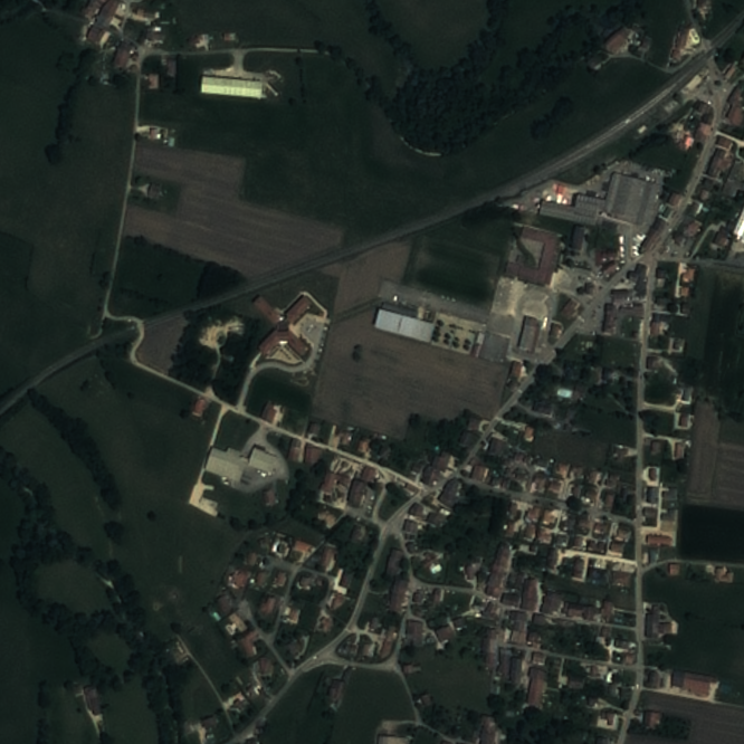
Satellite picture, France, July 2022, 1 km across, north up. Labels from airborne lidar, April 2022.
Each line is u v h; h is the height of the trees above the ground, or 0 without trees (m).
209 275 17
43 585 0
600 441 0
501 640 0
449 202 0
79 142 6
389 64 0
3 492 0
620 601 0
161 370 0
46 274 0
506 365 0
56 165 13
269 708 0
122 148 0
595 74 14
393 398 0
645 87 0
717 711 0
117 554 0
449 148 20
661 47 0
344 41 0
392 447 6
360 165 0
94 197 0
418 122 10
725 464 0
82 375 0
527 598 0
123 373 0
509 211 6
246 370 7
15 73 0
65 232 0
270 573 0
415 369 0
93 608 0
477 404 0
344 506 0
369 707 0
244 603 0
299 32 0
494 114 17
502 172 0
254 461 0
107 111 0
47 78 0
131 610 15
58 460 0
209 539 0
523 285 0
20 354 0
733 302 0
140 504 0
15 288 0
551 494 0
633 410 16
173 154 0
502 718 15
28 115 0
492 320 0
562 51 0
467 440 0
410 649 13
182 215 0
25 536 22
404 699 0
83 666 23
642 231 0
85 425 14
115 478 11
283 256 0
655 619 0
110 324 9
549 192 0
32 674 0
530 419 9
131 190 0
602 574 0
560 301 0
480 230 0
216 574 0
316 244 0
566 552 0
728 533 0
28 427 0
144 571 0
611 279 0
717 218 6
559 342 0
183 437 0
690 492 0
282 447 6
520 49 0
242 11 0
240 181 0
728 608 0
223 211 0
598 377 0
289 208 0
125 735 0
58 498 0
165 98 0
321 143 0
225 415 0
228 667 0
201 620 0
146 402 0
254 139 0
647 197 0
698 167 0
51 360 0
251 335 6
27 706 0
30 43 0
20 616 0
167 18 0
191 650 0
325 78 0
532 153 0
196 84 0
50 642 0
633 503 17
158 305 12
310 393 0
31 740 0
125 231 0
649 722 0
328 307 0
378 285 0
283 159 0
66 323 0
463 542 12
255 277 0
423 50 0
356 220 0
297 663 14
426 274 0
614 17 19
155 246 6
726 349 0
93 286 0
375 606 0
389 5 0
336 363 0
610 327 0
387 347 0
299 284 0
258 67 0
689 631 0
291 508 12
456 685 0
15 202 0
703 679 0
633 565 0
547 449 0
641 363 0
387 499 0
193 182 0
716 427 0
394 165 0
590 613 0
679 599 0
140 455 0
